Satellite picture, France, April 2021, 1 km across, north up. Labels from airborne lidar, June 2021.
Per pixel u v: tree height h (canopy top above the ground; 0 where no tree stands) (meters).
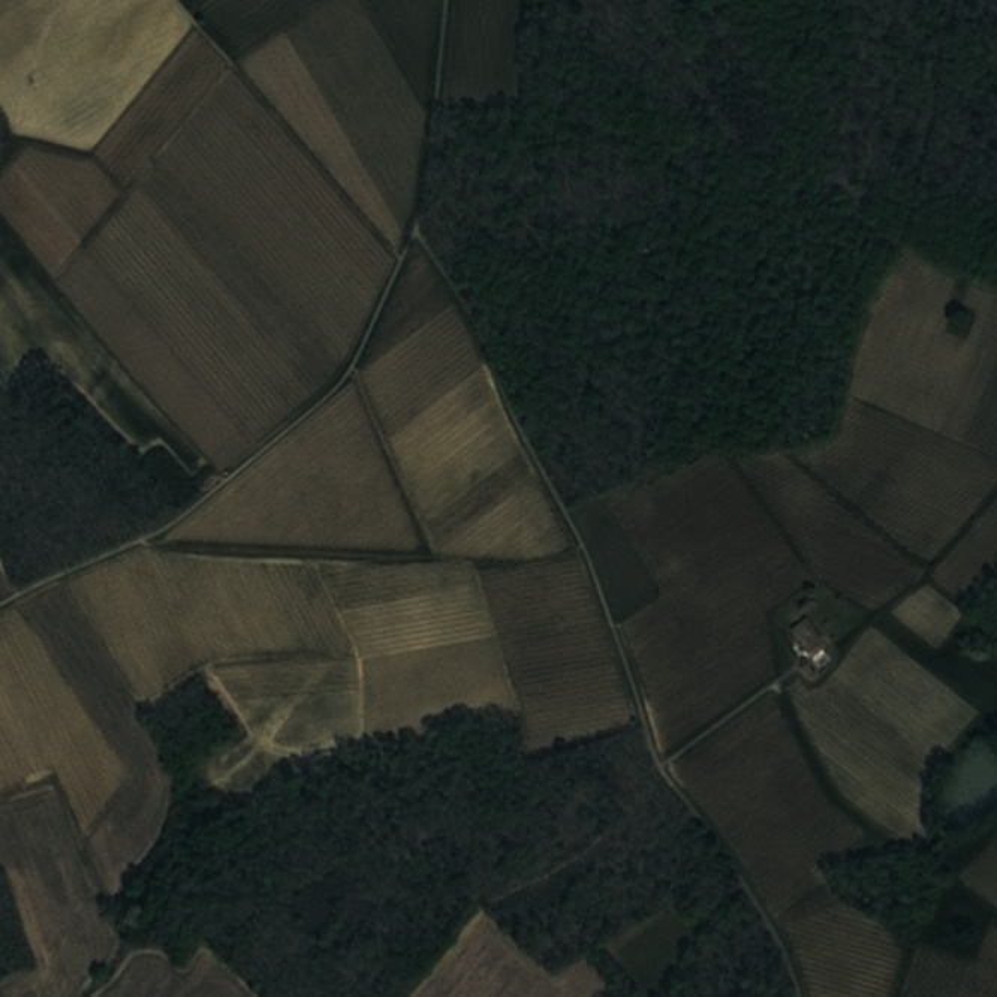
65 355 0
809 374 23
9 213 0
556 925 9
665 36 13
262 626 0
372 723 0
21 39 0
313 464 0
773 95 18
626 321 20
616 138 16
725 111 23
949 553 0
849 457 0
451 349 0
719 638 0
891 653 0
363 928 10
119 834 0
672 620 0
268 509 0
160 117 0
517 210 19
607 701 0
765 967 13
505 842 11
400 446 0
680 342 26
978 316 0
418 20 0
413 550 0
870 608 0
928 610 0
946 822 29
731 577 0
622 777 15
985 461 0
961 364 0
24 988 0
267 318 0
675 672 0
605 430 18
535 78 19
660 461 22
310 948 14
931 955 0
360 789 22
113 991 0
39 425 19
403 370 0
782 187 22
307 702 0
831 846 0
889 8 19
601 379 25
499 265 25
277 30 0
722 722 0
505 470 0
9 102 0
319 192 0
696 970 22
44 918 0
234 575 0
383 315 0
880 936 0
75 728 0
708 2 19
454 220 15
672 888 18
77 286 0
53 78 0
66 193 0
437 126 18
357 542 0
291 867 19
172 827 9
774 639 0
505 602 0
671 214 19
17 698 0
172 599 0
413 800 14
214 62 0
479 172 20
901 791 0
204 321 0
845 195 22
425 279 0
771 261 14
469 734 20
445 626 0
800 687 0
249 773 0
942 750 0
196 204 0
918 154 20
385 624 0
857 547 0
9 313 0
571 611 0
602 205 17
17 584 19
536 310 24
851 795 0
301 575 0
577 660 0
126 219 0
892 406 0
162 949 10
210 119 0
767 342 24
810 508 0
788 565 0
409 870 21
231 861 22
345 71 0
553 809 10
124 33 0
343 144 0
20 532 17
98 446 21
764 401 25
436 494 0
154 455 6
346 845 20
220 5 0
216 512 0
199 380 0
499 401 0
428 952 18
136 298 0
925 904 22
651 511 0
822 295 21
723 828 0
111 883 0
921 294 0
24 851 0
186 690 18
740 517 0
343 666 0
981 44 19
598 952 15
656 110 20
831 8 22
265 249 0
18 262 0
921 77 19
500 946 0
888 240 17
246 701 0
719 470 0
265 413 0
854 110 17
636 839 8
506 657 0
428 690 0
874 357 0
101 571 0
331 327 0
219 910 21
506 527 0
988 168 19
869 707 0
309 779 25
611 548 0
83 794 0
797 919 0
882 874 19
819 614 0
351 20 0
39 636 0
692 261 24
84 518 16
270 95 0
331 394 0
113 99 0
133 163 0
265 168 0
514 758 17
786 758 0
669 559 0
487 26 0
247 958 18
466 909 15
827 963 0
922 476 0
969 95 16
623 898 10
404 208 0
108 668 0
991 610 24
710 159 22
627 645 0
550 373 22
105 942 0
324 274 0
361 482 0
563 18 17
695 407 23
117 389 0
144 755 0
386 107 0
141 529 14
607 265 23
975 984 0
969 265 24
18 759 0
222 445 0
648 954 0
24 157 0
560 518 0
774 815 0
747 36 19
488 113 15
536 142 18
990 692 0
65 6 0
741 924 12
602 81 24
